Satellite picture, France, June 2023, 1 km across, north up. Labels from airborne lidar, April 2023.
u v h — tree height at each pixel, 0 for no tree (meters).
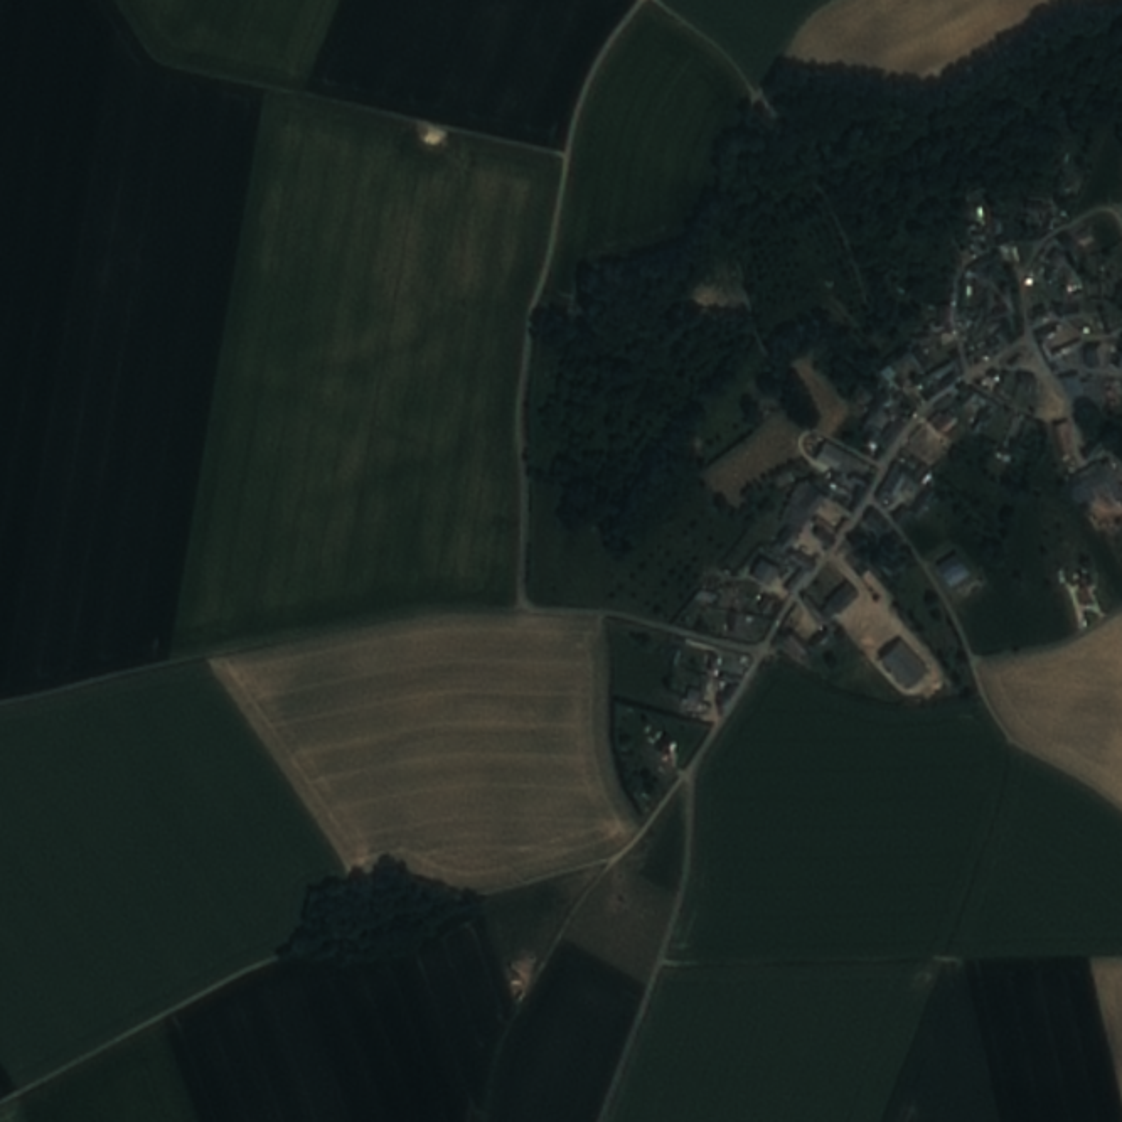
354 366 0
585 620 0
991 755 0
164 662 0
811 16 0
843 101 20
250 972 0
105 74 0
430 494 0
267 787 0
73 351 0
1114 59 29
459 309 0
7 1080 0
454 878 0
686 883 0
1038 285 0
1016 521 9
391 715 0
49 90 0
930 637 0
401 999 0
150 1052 0
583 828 0
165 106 0
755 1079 0
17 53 0
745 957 0
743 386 0
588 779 0
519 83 0
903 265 6
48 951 0
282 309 0
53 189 0
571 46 0
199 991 0
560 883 0
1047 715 0
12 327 0
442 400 0
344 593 0
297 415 0
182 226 0
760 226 8
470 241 0
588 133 0
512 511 0
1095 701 0
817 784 0
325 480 0
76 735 0
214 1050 0
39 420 0
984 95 24
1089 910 0
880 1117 0
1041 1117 0
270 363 0
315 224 0
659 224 0
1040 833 0
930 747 0
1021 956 0
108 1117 0
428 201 0
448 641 0
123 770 0
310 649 0
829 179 16
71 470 0
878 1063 0
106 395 0
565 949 0
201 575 0
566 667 0
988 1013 0
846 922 0
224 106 0
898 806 0
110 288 0
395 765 0
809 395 21
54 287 0
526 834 0
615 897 0
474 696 0
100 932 0
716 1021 0
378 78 0
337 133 0
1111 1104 0
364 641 0
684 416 15
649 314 25
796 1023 0
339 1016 0
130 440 0
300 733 0
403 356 0
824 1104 0
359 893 22
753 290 14
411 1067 0
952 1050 0
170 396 0
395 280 0
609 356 13
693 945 0
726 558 0
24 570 0
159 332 0
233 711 0
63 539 0
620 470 9
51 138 0
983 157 13
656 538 0
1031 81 33
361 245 0
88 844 0
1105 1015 0
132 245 0
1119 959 0
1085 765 0
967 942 0
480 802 0
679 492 18
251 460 0
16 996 0
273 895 0
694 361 9
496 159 0
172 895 0
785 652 0
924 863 0
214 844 0
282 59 0
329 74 0
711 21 0
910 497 0
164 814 0
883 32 0
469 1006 0
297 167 0
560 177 0
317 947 16
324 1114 0
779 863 0
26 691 0
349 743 0
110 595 0
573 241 0
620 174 0
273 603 0
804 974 0
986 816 0
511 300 0
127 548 0
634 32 0
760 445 0
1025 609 0
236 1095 0
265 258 0
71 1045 0
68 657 0
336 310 0
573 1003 0
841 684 0
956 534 0
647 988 0
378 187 0
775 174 23
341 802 0
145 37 0
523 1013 0
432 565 0
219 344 0
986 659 0
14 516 0
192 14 0
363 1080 0
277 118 0
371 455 0
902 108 26
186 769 0
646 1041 0
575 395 9
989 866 0
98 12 0
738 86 0
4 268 0
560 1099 0
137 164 0
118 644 0
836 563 0
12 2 0
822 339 18
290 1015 0
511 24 0
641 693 0
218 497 0
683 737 0
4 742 0
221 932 0
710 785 0
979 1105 0
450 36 0
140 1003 0
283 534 0
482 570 0
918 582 0
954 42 0
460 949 0
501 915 0
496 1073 0
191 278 0
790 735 0
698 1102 0
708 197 19
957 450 8
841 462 0
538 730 0
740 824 0
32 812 0
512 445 0
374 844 0
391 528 0
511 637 0
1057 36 32
